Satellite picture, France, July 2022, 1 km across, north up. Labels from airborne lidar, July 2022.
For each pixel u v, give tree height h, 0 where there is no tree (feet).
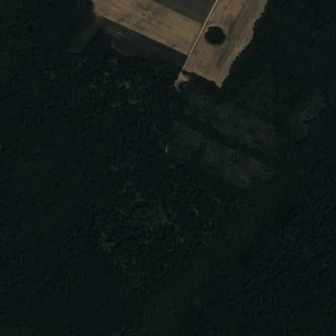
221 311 75
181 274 46
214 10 0
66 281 80
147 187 78
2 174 65
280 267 76
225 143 44
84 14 55
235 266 92
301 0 25
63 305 62
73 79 67
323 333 85
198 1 0
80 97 64
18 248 62
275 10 33
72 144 72
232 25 0
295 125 0
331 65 71
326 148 65
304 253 79
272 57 62
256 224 53
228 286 98
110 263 72
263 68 50
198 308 85
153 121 73
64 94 63
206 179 77
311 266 85
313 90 66
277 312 88
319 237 97
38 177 64
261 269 70
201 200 73
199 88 53
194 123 38
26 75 73
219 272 68
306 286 85
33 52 32
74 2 84
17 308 76
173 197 28
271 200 67
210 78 0
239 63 57
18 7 72
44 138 75
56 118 61
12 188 68
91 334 70
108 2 0
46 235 67
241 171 0
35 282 73
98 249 73
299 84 39
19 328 47
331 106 65
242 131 0
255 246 43
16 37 71
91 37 0
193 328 42
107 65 90
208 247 52
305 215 94
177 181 88
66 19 70
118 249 97
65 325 61
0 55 67
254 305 101
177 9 0
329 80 45
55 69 72
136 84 25
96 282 55
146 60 40
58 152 52
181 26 0
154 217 64
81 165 69
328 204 90
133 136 91
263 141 42
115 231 73
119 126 82
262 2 0
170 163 72
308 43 36
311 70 66
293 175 58
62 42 70
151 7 0
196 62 0
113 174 67
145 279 72
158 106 60
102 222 75
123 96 74
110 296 64
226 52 0
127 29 0
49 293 60
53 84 63
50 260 70
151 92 54
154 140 63
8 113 69
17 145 62
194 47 0
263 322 97
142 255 73
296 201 29
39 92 85
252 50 49
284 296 94
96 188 76
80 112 72
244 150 47
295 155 78
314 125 81
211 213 78
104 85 92
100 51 67
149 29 0
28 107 22
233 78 47
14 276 69
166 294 52
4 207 43
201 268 57
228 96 66
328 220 89
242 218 59
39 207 59
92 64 84
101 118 71
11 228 60
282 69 73
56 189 59
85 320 71
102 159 69
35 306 69
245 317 67
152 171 78
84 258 62
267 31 76
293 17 35
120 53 39
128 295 27
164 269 75
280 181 59
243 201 59
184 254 20
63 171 69
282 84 64
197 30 0
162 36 0
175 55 0
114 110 59
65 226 67
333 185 85
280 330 75
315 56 59
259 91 53
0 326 36
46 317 66
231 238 59
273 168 45
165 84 66
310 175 89
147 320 56
